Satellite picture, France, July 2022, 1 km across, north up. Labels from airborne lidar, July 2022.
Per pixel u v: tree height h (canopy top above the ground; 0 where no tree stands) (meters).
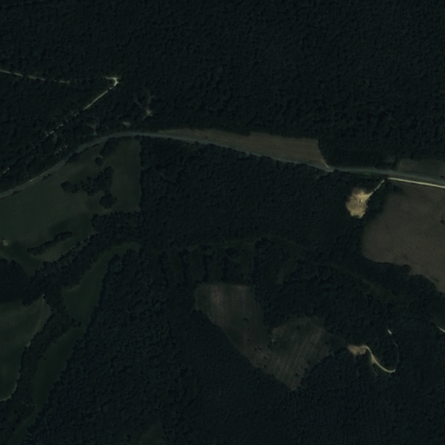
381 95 15
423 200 0
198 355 19
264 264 23
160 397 19
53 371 0
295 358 0
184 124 24
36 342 15
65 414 28
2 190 13
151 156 25
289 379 0
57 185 0
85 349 19
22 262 0
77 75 16
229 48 19
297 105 26
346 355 24
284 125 22
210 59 9
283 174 21
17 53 18
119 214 17
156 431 0
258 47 15
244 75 17
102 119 13
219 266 8
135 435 16
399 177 0
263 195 20
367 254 0
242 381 16
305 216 18
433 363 22
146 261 23
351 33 17
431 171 0
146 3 15
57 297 16
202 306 0
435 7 17
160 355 19
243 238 23
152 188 20
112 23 17
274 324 19
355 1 13
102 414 20
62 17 22
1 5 9
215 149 24
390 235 0
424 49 18
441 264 0
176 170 25
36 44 20
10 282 18
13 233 0
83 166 0
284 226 23
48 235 0
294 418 17
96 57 17
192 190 19
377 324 22
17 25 21
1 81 22
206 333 14
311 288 26
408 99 19
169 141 13
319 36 12
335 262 25
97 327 18
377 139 23
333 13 23
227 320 0
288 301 23
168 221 17
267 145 0
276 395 15
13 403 19
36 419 0
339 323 18
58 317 15
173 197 22
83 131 27
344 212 20
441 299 12
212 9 21
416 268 0
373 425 17
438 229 0
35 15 23
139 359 18
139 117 28
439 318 0
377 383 10
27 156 25
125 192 0
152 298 10
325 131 26
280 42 14
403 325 14
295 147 0
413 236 0
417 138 25
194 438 23
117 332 19
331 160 15
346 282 24
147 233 26
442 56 15
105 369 21
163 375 21
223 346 20
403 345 18
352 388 24
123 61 16
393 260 0
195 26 15
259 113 25
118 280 17
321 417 17
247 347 0
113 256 0
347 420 23
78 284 13
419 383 20
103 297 21
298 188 16
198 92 26
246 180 24
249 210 23
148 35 19
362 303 24
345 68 17
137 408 20
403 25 17
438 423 22
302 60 21
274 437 12
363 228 14
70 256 12
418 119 26
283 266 17
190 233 17
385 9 16
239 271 17
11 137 23
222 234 20
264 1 18
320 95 23
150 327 17
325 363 18
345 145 23
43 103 23
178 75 18
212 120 16
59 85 22
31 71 18
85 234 0
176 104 29
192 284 21
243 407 11
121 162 0
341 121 28
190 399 17
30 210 0
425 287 15
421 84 17
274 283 21
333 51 15
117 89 17
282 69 16
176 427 24
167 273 23
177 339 25
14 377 0
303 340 0
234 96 26
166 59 14
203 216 17
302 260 9
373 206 19
